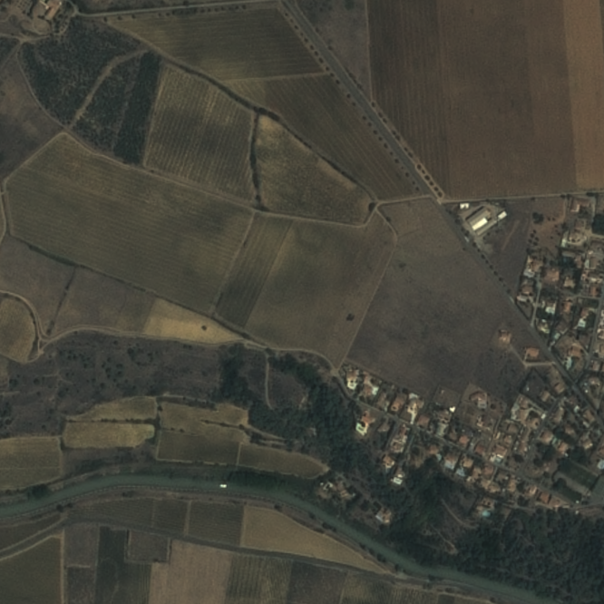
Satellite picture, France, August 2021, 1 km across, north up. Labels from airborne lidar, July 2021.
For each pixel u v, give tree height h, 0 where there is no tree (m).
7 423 7
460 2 0
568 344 0
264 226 0
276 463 0
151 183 0
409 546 14
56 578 0
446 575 0
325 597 0
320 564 0
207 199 0
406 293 0
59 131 0
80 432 0
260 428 14
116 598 0
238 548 0
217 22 0
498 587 0
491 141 0
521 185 0
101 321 0
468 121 0
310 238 0
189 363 0
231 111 0
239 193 0
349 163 0
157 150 0
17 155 0
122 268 0
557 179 0
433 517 6
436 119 0
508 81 0
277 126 0
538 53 0
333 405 9
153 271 0
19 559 0
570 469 9
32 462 0
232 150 0
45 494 22
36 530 0
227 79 0
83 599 0
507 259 0
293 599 0
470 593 0
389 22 0
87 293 0
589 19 0
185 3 7
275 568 0
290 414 14
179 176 0
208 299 0
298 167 0
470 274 0
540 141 0
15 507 0
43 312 0
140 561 0
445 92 0
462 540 7
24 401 0
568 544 9
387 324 0
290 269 0
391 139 0
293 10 0
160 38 0
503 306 0
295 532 0
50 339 0
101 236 0
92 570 0
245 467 0
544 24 0
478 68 0
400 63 0
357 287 0
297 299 0
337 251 0
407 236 0
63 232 0
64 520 0
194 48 0
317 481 6
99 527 0
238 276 0
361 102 0
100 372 0
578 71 0
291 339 0
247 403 10
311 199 0
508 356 0
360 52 0
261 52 0
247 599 0
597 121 0
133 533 0
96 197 0
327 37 0
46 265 0
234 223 0
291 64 0
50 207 0
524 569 21
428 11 0
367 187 0
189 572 0
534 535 13
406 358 0
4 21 0
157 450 0
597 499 0
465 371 0
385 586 0
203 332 0
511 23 0
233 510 0
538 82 0
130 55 0
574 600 20
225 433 0
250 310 0
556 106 0
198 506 0
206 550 0
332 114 0
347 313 0
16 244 0
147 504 0
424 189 0
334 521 0
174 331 0
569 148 0
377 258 0
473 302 0
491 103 0
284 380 0
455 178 0
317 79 0
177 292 0
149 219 0
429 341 0
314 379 6
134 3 0
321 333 0
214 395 8
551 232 0
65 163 0
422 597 0
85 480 0
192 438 0
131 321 0
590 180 0
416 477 8
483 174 0
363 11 0
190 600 0
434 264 0
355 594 0
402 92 0
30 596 0
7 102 0
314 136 0
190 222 0
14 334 0
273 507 0
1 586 0
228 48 0
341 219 0
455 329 0
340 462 7
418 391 0
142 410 0
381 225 0
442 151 0
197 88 0
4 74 0
